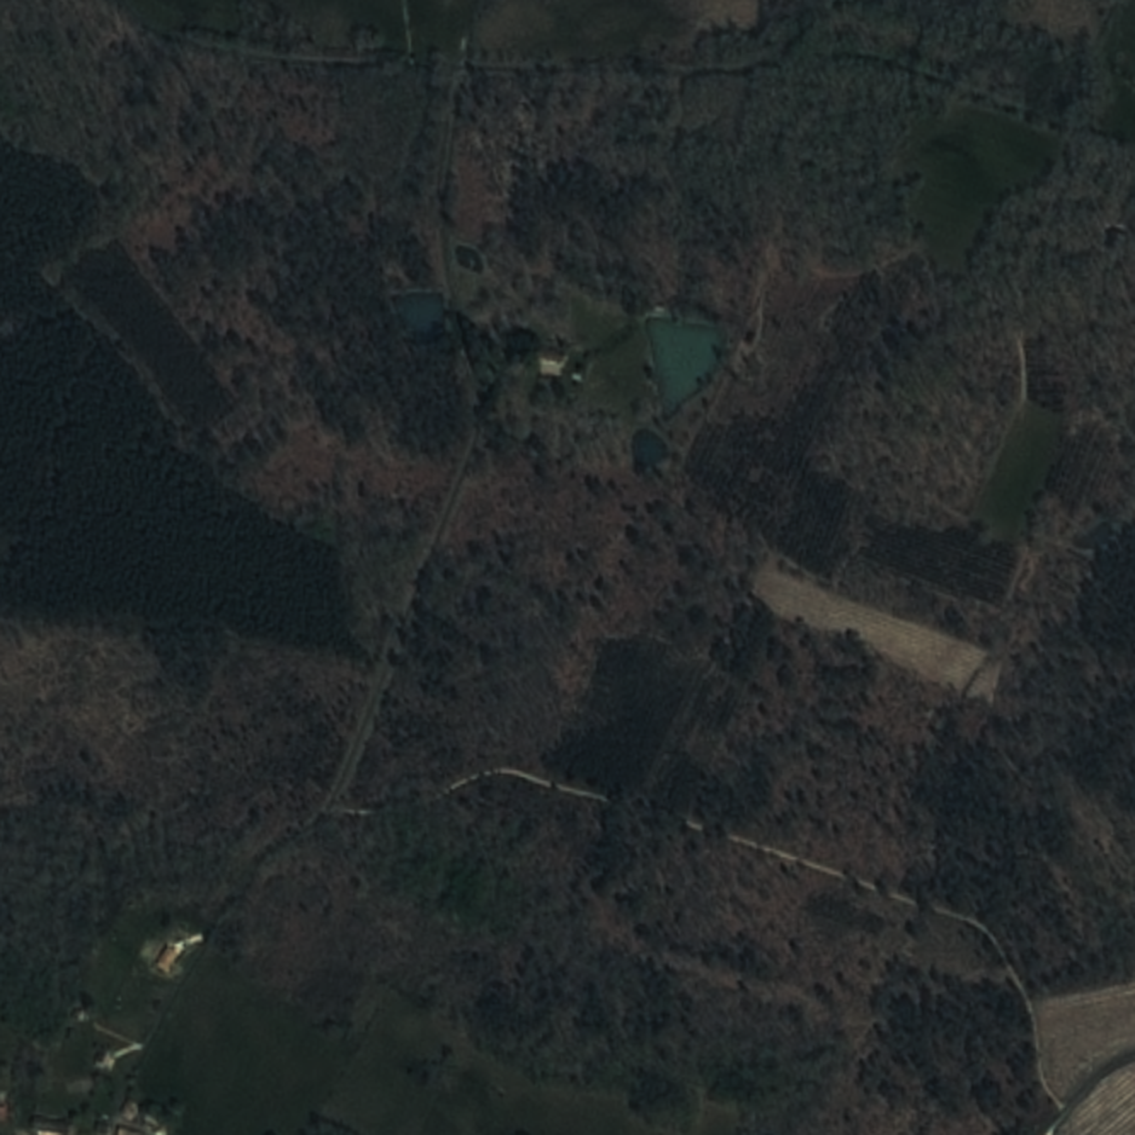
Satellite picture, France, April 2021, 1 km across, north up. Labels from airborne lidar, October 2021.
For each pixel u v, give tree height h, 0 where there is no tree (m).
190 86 17
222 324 13
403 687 7
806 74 25
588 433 9
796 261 13
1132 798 16
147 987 0
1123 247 22
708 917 14
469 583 7
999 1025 21
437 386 25
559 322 17
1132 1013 0
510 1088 0
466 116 15
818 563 6
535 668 17
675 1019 12
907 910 8
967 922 15
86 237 14
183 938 0
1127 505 15
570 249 16
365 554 17
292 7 0
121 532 17
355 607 15
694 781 7
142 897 13
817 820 8
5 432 20
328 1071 0
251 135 10
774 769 14
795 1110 16
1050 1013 0
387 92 18
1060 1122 0
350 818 7
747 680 17
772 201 21
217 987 0
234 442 14
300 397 21
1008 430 11
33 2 19
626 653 7
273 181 13
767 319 0
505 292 8
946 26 19
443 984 12
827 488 6
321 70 6
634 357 0
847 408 12
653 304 21
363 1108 0
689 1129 18
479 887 17
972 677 0
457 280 0
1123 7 21
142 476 18
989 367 15
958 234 0
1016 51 17
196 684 18
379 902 12
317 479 7
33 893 23
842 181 12
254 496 8
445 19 0
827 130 24
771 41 20
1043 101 13
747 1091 23
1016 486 0
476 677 9
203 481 16
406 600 20
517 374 12
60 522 19
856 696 20
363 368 26
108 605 18
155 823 14
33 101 16
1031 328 19
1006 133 0
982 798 27
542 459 24
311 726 9
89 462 18
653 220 30
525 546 9
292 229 16
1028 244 17
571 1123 0
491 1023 17
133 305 9
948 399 17
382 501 10
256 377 11
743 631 19
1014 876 24
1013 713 10
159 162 19
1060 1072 0
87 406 17
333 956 9
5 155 19
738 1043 16
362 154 15
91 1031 0
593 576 7
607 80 21
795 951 8
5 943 19
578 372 8
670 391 0
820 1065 21
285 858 16
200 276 26
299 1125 0
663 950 15
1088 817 18
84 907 20
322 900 7
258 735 9
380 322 27
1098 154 26
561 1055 16
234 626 17
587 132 7
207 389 12
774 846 10
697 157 20
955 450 16
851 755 7
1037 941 19
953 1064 12
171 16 0
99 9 14
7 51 17
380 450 14
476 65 11
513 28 0
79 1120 11
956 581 6
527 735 10
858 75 23
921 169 0
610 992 12
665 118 8
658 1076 19
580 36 0
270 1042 0
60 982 12
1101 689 12
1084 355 21
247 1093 0
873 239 12
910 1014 23
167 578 19
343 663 11
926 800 17
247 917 14
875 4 12
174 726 14
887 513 14
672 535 18
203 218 9
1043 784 17
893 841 13
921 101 15
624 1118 0
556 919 14
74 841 15
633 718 8
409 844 23
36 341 23
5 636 14
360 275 26
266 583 18
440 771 8
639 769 8
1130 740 15
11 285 20
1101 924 19
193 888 18
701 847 10
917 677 7
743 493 7
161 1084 0
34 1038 10
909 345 29
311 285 30
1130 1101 0
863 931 6
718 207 26
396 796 17
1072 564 8
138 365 11
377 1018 0
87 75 22
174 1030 0
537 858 7
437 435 27
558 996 10
